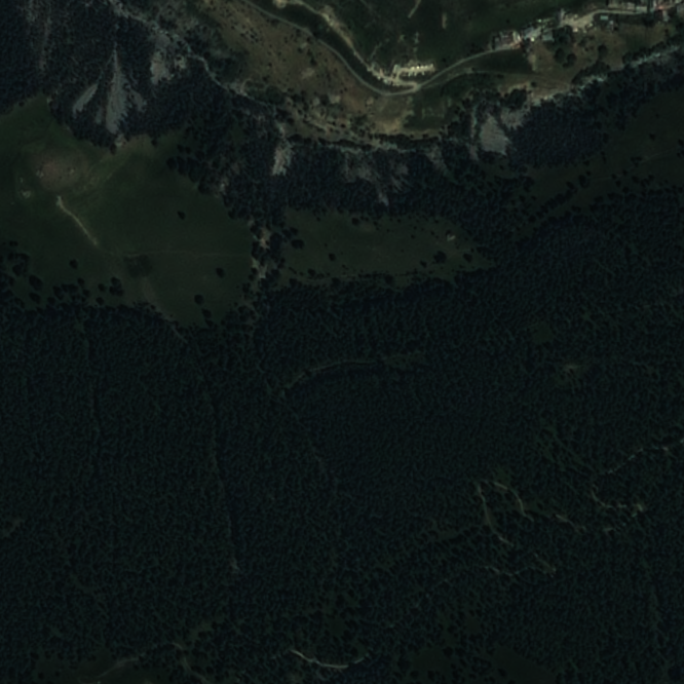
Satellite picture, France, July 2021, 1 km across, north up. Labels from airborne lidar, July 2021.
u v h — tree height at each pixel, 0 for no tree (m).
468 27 0
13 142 0
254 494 14
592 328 20
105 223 0
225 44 0
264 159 7
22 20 10
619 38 0
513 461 25
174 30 14
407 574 16
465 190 18
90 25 11
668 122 0
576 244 15
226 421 17
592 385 21
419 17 0
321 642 14
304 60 0
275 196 9
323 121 0
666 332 14
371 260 0
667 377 20
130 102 7
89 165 0
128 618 17
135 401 22
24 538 17
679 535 22
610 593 25
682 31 12
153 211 0
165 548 20
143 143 0
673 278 20
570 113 13
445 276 0
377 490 7
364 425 20
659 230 17
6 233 0
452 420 15
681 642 23
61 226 0
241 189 18
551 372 19
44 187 0
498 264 15
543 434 21
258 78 0
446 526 13
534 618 26
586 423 23
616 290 15
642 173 0
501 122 6
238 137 0
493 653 17
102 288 13
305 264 0
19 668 17
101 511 15
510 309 20
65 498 16
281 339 12
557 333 18
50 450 17
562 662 27
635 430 19
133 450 19
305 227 0
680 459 24
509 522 16
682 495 9
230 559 9
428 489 14
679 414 26
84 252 0
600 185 0
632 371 17
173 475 20
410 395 20
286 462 14
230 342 15
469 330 24
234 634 19
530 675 0
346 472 13
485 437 22
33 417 21
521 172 13
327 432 18
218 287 0
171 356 24
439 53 0
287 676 18
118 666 0
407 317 24
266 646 15
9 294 21
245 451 18
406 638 17
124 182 0
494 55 0
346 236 0
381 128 0
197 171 25
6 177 0
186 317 0
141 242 0
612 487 20
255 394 22
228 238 0
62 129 0
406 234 0
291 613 10
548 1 0
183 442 24
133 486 20
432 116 0
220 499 11
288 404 11
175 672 13
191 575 10
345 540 8
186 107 11
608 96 0
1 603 16
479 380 22
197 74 9
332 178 16
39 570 17
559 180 0
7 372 19
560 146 12
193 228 0
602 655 21
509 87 0
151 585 17
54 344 23
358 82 0
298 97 10
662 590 17
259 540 17
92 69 10
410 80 0
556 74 0
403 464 22
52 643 18
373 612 21
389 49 0
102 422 19
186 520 19
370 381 20
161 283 0
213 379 9
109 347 20
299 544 17
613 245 17
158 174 0
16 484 22
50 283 0
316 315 26
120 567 17
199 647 23
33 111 0
